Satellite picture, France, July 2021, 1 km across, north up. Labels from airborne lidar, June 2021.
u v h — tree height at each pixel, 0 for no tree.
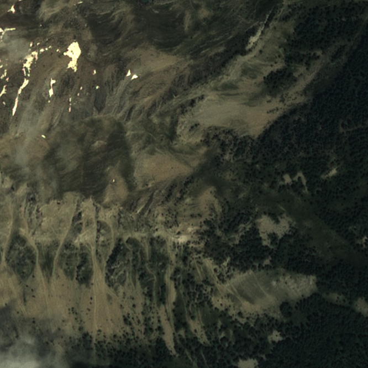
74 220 0
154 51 0
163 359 19
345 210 9
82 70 0
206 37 0
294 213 0
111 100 0
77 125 0
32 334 0
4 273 0
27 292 0
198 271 0
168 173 0
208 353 20
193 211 0
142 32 0
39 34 0
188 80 0
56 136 0
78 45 0
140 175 0
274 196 0
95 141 0
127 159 0
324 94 12
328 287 20
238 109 0
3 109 0
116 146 0
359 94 9
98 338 0
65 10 0
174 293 0
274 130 9
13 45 0
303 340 26
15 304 0
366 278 21
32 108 0
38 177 0
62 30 0
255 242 13
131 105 0
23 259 0
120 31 0
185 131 0
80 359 0
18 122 0
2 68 0
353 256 0
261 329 10
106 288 0
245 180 6
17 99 0
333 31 16
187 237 0
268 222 0
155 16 0
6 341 0
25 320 0
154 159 0
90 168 0
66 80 0
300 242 11
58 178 0
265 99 0
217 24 0
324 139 14
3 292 0
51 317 0
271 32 0
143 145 0
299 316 0
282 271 0
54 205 0
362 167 9
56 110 0
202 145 0
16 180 0
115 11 0
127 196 0
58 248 0
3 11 0
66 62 0
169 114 0
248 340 13
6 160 0
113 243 0
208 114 0
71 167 0
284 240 15
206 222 7
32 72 0
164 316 0
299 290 0
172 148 0
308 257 14
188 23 0
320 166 10
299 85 0
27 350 0
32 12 0
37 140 0
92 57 0
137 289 0
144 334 7
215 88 0
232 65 0
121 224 0
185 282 12
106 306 0
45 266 0
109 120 0
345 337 27
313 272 9
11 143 0
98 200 0
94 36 0
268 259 0
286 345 27
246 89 0
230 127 0
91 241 0
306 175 10
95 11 0
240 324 7
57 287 0
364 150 7
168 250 0
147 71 0
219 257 8
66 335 0
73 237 0
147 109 0
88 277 0
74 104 0
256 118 0
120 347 0
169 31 0
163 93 0
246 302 0
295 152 8
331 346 27
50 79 0
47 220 0
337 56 9
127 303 0
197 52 0
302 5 9
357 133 8
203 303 8
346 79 13
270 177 7
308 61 9
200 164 0
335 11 10
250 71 0
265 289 0
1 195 0
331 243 0
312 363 27
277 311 0
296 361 13
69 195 0
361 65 13
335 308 24
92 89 0
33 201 0
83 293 0
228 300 0
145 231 0
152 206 0
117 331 0
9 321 0
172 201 0
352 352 24
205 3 0
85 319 0
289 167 8
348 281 17
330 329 27
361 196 0
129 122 0
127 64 0
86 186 0
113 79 0
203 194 0
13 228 0
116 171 0
